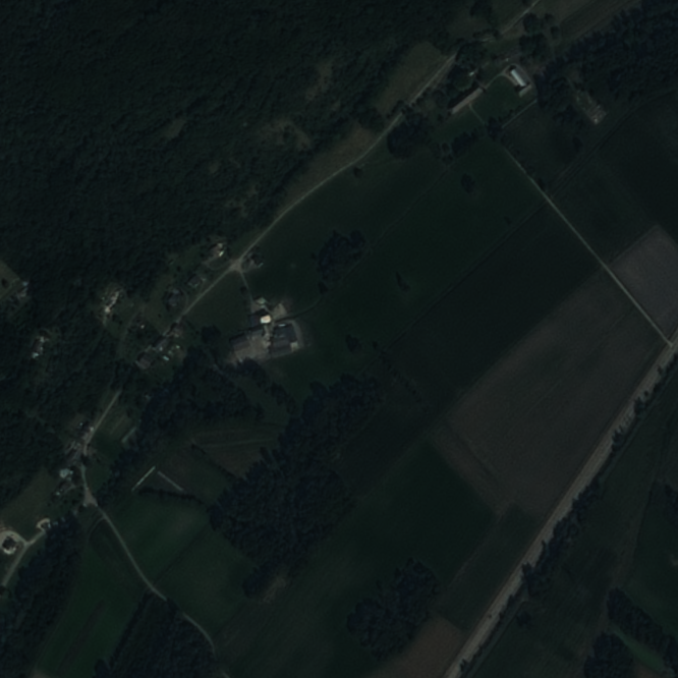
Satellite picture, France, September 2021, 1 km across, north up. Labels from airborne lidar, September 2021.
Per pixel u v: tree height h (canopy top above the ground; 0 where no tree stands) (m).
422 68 0
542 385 0
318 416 30
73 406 11
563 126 15
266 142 8
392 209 0
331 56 11
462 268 0
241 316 0
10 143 18
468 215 0
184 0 26
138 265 21
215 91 22
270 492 24
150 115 14
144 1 12
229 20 25
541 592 23
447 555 0
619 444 9
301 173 22
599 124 0
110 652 0
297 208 0
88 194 20
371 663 0
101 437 0
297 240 0
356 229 0
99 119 19
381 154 0
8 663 27
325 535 24
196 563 0
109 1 10
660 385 6
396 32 24
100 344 8
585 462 0
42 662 0
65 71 23
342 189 0
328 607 0
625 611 26
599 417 0
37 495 0
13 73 22
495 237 0
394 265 0
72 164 20
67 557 32
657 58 29
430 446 0
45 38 22
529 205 0
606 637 11
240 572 0
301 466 22
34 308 10
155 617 7
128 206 21
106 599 0
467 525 0
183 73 14
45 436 12
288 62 17
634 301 0
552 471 0
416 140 31
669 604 0
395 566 0
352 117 11
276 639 0
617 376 0
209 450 0
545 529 0
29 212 20
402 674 0
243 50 31
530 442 0
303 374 0
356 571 0
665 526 0
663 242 0
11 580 0
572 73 0
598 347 0
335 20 25
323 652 0
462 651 0
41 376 9
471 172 0
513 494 0
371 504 0
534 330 0
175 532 0
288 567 26
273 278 0
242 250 0
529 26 26
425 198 0
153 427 24
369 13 28
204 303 0
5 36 16
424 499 0
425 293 0
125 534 0
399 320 0
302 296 0
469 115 0
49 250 28
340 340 0
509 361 0
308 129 7
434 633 0
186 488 0
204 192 21
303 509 24
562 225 0
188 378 8
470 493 0
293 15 34
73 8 23
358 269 0
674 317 0
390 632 26
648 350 0
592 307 0
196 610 0
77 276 17
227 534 16
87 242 27
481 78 13
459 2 21
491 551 0
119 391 12
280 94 9
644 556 0
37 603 10
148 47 28
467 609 0
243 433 0
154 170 12
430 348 0
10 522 0
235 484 10
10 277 0
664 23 23
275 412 0
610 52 24
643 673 0
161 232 16
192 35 23
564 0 0
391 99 0
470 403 0
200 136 18
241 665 0
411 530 0
